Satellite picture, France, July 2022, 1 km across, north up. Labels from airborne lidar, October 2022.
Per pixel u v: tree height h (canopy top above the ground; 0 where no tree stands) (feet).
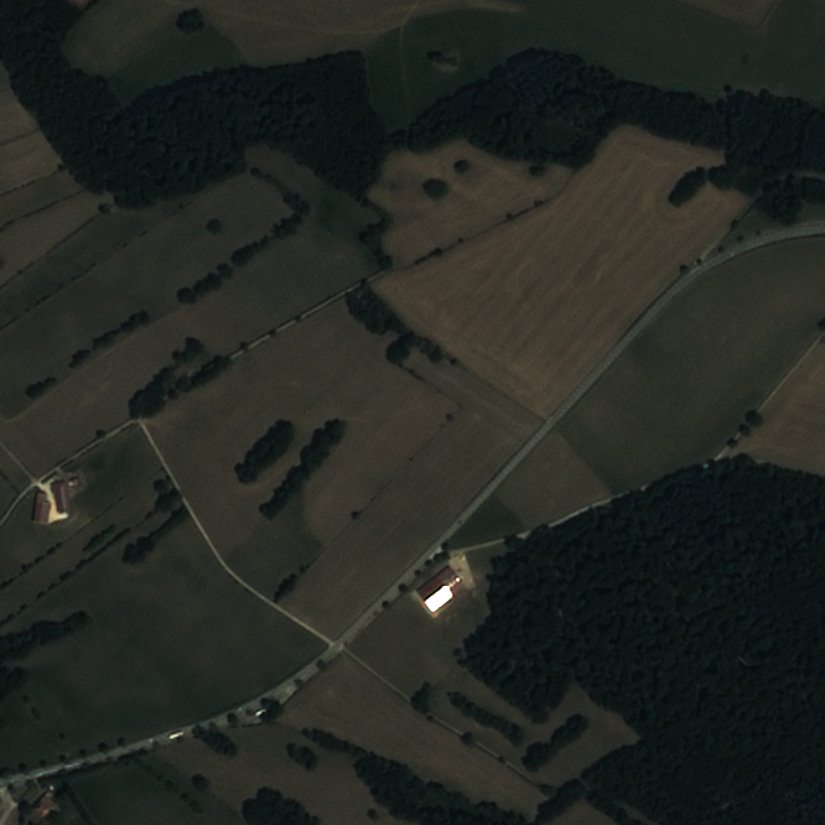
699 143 58
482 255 0
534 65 88
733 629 86
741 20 0
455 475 0
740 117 120
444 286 0
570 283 0
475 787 0
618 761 68
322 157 32
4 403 0
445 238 0
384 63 0
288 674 0
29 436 0
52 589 19
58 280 0
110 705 0
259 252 39
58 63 83
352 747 63
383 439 0
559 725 0
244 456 0
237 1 0
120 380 0
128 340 0
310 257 0
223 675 0
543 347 0
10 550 0
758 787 67
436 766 0
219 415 0
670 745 60
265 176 22
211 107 104
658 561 81
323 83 37
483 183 0
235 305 0
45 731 0
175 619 0
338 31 0
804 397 0
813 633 35
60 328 0
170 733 0
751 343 0
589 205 0
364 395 0
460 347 0
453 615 0
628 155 0
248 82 93
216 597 0
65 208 0
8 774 34
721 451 0
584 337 0
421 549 0
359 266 0
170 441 0
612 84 33
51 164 0
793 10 0
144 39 0
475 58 0
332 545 0
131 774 0
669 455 0
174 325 0
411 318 0
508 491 0
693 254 0
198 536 0
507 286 0
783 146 31
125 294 0
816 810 65
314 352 0
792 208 52
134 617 0
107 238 0
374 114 53
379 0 0
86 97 76
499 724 24
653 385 0
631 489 0
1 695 58
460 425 0
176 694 0
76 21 21
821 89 0
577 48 0
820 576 38
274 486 0
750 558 90
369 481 0
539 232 0
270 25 0
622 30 0
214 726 24
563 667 82
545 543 70
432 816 75
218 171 86
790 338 0
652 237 0
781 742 46
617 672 84
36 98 67
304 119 103
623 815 65
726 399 0
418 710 35
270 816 70
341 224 0
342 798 0
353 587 0
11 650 50
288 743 0
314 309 0
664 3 0
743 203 0
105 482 0
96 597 0
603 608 89
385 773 64
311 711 0
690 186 65
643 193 0
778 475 56
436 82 0
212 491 0
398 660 0
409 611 0
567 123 94
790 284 0
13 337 0
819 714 60
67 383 0
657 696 80
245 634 0
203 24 43
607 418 0
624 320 0
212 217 0
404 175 0
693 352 0
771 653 34
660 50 0
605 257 0
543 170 22
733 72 0
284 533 0
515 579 87
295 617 0
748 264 0
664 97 74
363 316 62
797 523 94
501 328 0
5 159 0
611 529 77
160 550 0
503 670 88
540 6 0
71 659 0
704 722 75
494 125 78
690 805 57
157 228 0
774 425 0
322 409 0
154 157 88
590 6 0
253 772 0
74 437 0
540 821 33
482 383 0
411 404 0
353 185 34
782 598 57
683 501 93
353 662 0
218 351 0
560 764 0
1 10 84
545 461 0
